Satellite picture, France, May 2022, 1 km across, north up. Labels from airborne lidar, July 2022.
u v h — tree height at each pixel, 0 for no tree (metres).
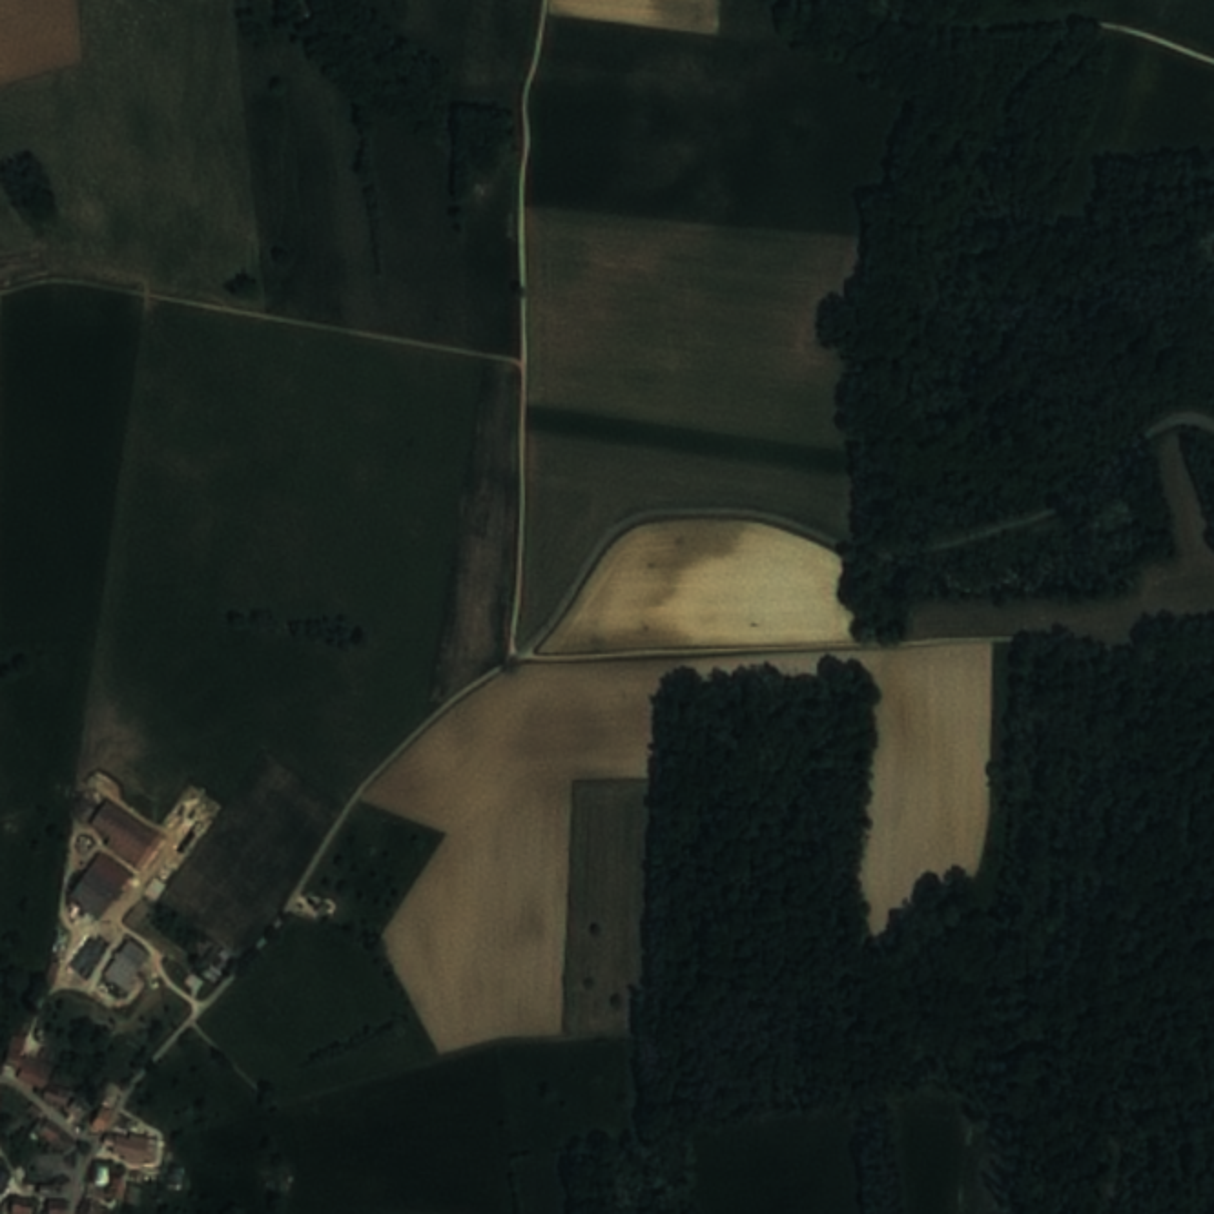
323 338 0
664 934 25
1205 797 26
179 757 0
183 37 0
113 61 0
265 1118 0
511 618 0
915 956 29
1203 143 0
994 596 7
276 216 0
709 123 0
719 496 0
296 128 0
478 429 0
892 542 30
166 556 0
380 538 0
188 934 7
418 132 16
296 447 0
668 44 0
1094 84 17
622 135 0
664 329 0
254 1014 0
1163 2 0
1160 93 0
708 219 0
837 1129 0
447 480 0
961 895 27
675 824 25
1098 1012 28
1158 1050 17
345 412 0
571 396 0
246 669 0
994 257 28
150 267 0
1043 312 20
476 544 0
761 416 0
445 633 0
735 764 26
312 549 0
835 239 0
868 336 28
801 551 0
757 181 0
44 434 0
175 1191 0
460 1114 0
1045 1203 23
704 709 22
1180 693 24
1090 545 28
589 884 0
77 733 0
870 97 0
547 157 0
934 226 23
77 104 0
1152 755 21
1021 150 26
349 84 18
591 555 0
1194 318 23
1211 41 0
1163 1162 27
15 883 0
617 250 0
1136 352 25
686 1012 25
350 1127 0
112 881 0
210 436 0
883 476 21
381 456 0
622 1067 0
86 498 0
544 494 0
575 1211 20
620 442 0
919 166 29
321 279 0
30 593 0
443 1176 0
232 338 0
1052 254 28
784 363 0
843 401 18
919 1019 26
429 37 0
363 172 15
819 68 0
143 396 0
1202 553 0
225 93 0
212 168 0
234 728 0
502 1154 0
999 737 0
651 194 0
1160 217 25
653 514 0
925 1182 0
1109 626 0
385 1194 0
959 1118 0
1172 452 0
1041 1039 9
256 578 0
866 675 20
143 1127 0
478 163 17
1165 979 25
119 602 0
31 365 0
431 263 0
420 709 0
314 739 0
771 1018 21
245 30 11
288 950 0
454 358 0
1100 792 27
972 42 24
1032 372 23
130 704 0
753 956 26
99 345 0
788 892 23
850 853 17
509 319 0
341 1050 8
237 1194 0
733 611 0
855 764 19
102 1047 11
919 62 24
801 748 7
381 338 0
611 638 0
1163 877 25
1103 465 10
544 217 0
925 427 21
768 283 0
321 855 0
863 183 0
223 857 0
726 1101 26
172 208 0
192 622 0
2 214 0
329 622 7
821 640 0
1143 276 25
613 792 0
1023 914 30
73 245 0
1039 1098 29
